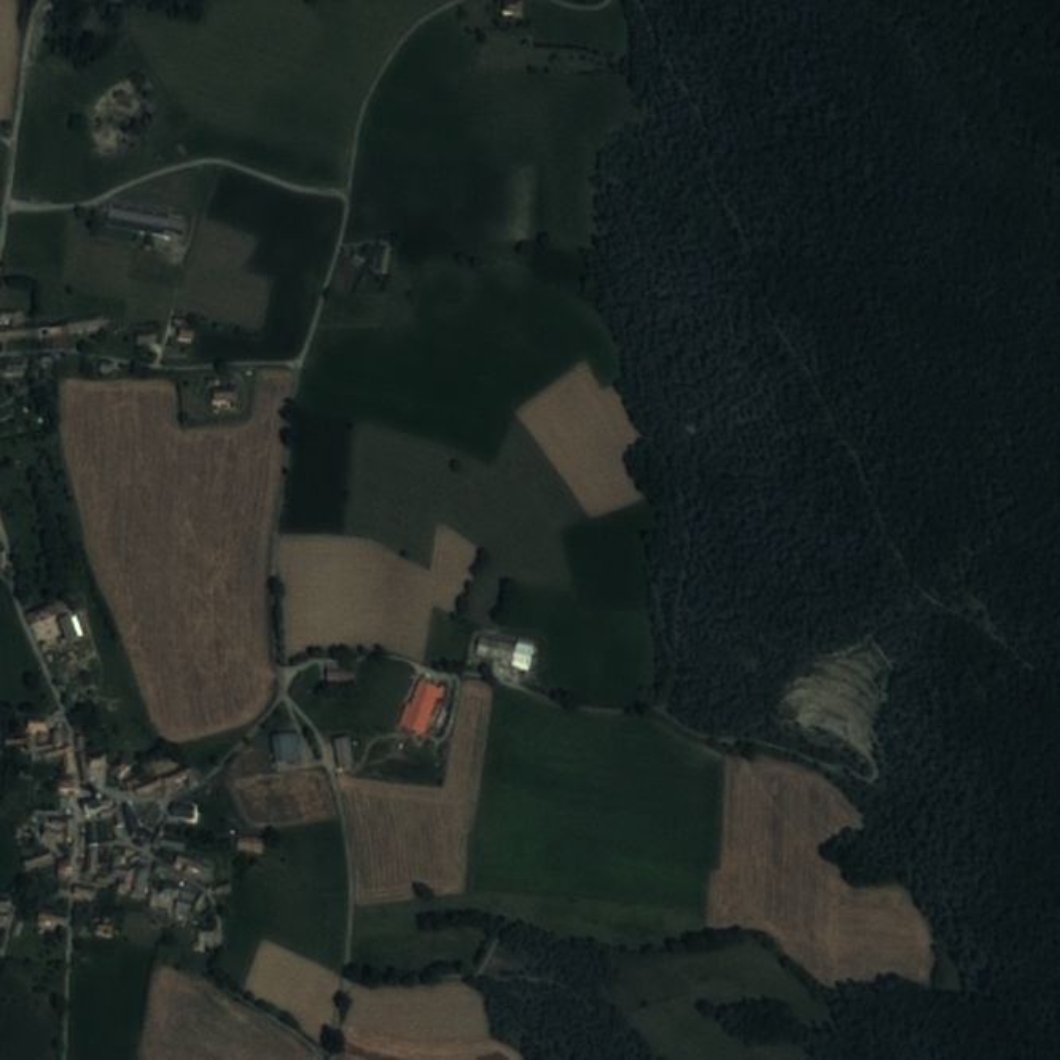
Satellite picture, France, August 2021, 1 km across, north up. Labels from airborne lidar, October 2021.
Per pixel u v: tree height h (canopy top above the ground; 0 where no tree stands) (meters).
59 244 0
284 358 0
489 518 0
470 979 11
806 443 18
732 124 18
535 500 0
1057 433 12
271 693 0
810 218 14
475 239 0
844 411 10
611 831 0
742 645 11
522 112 0
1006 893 12
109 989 0
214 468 0
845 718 0
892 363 13
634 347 10
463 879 0
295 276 0
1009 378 16
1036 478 12
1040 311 11
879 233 15
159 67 0
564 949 8
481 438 0
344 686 19
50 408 14
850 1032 15
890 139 10
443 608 0
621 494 0
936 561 11
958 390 10
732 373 10
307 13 0
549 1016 9
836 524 9
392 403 0
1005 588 12
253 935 0
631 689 0
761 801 0
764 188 16
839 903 0
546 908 0
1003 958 14
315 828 0
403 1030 0
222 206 0
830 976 0
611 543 0
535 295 0
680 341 12
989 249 13
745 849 0
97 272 0
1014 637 13
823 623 12
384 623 0
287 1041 0
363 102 0
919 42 11
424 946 0
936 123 14
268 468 0
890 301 15
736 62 13
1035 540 11
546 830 0
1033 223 15
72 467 0
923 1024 14
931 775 12
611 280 9
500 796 0
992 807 14
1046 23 18
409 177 0
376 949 0
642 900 0
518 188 0
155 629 0
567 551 0
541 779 0
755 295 7
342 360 0
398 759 0
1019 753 11
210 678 0
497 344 0
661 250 8
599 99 0
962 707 13
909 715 16
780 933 0
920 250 10
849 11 15
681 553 7
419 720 0
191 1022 0
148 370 8
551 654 0
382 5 0
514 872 0
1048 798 16
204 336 0
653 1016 0
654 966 0
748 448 6
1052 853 14
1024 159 17
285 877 0
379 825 0
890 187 13
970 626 11
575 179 0
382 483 0
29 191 0
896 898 0
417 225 0
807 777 0
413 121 0
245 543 0
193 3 18
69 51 19
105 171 0
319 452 0
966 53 14
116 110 0
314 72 0
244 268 0
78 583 0
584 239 0
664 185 9
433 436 0
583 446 0
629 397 10
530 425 0
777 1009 16
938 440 9
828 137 11
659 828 0
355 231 0
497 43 0
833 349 14
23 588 6
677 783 0
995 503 9
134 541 0
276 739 0
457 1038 0
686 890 0
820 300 10
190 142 0
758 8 8
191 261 0
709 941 18
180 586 0
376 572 0
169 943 10
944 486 11
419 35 0
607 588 0
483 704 0
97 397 0
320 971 0
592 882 0
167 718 0
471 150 0
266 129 0
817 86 11
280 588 15
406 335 0
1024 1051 21
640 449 10
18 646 0
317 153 0
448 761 0
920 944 0
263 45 0
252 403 0
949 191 17
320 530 0
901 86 18
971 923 17
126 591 0
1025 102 22
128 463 0
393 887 0
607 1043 11
